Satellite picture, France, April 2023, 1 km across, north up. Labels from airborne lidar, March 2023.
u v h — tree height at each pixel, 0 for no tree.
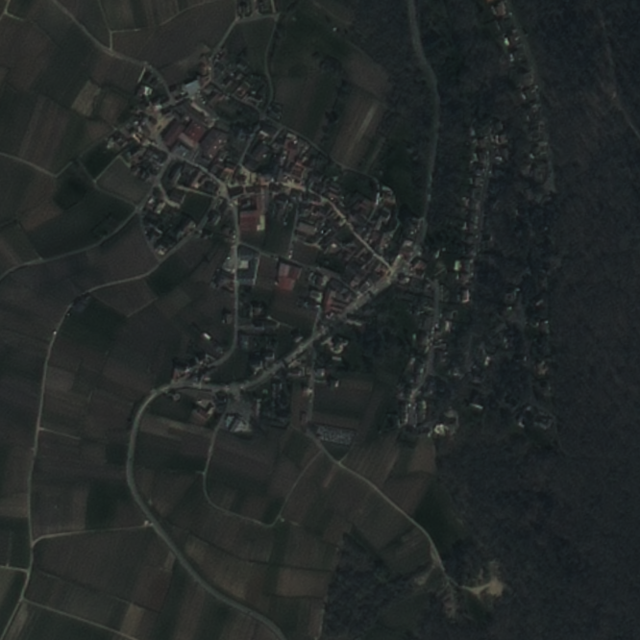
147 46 0
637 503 25
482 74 23
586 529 23
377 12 16
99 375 0
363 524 0
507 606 19
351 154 0
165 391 0
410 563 0
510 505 24
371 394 0
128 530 0
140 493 0
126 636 0
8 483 0
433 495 0
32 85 0
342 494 0
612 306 26
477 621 0
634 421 19
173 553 0
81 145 0
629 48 23
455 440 6
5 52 0
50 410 0
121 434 0
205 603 0
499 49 18
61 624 0
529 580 8
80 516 0
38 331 0
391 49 7
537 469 21
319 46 0
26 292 0
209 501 0
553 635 17
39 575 0
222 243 0
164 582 0
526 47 0
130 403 0
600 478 23
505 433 13
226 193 0
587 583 21
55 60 0
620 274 22
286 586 0
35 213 0
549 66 25
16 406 0
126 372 0
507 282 18
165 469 0
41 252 0
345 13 0
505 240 20
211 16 0
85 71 0
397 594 8
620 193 26
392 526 0
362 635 6
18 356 0
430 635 22
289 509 0
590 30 27
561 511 29
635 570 24
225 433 0
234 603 0
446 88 7
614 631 20
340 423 0
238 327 0
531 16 22
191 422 0
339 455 0
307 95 0
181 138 0
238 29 0
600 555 18
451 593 0
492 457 20
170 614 0
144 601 0
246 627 0
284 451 0
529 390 16
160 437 0
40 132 0
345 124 0
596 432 23
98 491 0
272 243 0
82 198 0
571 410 22
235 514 0
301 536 0
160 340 0
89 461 0
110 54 0
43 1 0
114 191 0
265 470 0
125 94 0
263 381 0
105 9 0
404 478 0
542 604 19
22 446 0
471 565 18
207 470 0
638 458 22
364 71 0
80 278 0
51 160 0
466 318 0
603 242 26
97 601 0
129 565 0
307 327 0
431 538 0
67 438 0
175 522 0
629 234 27
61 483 0
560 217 20
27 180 0
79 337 0
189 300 0
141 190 0
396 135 0
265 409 13
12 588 0
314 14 0
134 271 0
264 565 0
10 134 0
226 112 0
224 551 0
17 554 0
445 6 17
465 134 21
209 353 0
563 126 24
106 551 0
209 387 0
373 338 13
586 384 23
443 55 20
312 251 0
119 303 0
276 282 0
